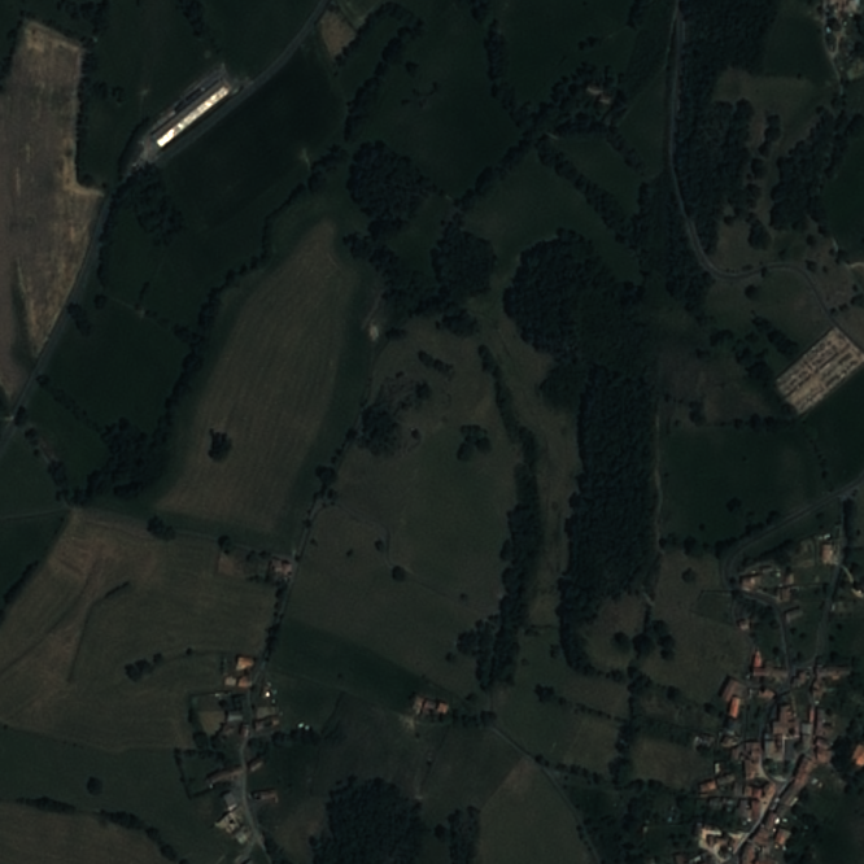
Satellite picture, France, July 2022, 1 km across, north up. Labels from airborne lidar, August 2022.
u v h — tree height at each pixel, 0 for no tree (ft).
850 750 49
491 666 38
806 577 0
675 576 0
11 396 0
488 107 0
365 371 0
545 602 0
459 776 0
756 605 26
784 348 65
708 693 0
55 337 0
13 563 0
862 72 0
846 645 0
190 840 0
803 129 0
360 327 0
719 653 0
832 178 37
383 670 0
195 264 0
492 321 0
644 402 43
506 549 31
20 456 0
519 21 0
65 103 0
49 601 0
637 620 0
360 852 55
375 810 53
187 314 0
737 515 56
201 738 35
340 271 0
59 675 0
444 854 0
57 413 0
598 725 0
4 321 0
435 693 0
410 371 0
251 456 0
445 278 75
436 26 0
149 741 0
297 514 0
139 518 0
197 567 0
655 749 0
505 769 0
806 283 0
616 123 26
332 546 0
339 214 0
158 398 0
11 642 0
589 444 68
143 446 60
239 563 0
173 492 0
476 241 53
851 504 50
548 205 0
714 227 40
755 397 0
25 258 0
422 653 0
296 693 0
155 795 0
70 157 0
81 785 0
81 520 0
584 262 28
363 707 0
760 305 0
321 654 0
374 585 0
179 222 40
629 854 39
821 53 0
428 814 0
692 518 0
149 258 0
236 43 0
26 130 0
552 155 31
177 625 0
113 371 0
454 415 0
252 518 0
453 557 0
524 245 0
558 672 0
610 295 51
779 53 0
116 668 0
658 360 0
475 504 0
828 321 0
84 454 0
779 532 0
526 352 0
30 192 0
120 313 0
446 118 0
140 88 0
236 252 0
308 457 0
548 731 0
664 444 0
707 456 0
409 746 0
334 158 54
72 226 0
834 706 19
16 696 0
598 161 0
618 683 35
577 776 62
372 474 0
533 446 27
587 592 51
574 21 0
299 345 0
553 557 0
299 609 0
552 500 0
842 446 0
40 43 0
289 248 0
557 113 62
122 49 0
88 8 60
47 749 0
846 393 0
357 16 0
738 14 27
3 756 0
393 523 0
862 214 0
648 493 61
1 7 0
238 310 0
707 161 52
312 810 0
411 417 0
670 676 0
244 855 0
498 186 64
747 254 0
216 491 0
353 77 0
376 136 0
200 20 50
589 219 0
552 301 42
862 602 0
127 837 0
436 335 0
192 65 0
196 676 0
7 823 0
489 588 0
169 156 0
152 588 0
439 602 0
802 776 0
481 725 28
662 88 0
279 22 0
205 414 0
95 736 0
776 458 0
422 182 49
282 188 0
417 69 46
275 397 0
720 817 23
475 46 0
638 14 62
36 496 0
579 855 0
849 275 0
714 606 0
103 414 0
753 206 31
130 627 0
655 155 0
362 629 0
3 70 30
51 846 0
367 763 0
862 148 0
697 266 45
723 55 28
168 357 0
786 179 43
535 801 0
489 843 0
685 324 0
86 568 0
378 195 54
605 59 0
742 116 45
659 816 22
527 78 0
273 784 0
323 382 0
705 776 0
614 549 45
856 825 0
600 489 50
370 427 37
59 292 0
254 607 0
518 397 0
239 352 0
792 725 0
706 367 0
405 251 0
